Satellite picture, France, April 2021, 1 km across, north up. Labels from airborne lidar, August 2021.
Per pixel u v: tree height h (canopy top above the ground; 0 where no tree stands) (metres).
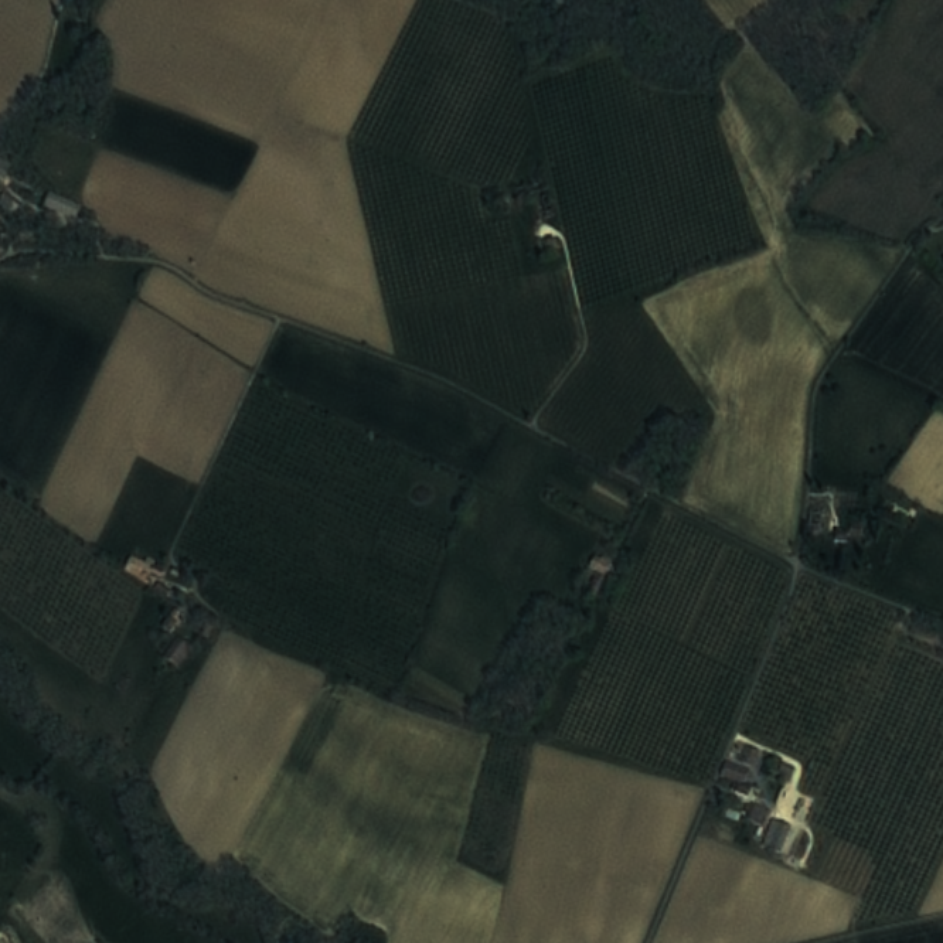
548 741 16
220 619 11
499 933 0
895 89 0
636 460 17
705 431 17
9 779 14
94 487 0
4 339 0
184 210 0
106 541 0
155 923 0
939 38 0
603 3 17
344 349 0
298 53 0
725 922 0
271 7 0
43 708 9
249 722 0
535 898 0
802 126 0
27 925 0
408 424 0
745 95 0
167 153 0
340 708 0
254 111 0
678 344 0
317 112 0
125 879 19
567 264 0
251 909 20
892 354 0
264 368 0
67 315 0
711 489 0
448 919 0
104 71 19
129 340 0
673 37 18
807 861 0
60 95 18
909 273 0
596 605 10
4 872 0
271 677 0
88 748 13
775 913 0
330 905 0
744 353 0
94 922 0
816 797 0
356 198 0
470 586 0
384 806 0
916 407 0
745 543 0
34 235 13
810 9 20
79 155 0
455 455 0
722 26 12
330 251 0
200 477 0
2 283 0
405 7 0
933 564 0
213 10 0
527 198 9
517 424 0
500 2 15
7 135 13
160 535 0
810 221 15
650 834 0
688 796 0
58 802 13
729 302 0
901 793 6
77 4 17
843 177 0
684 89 9
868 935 0
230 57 0
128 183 0
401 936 0
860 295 0
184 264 0
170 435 0
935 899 0
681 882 0
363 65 0
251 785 0
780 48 12
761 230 0
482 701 14
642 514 8
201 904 25
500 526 0
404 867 0
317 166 0
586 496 0
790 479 0
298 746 0
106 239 13
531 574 0
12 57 0
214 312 0
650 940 0
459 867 0
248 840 0
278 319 0
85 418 0
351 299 0
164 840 9
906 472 0
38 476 0
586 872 0
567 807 0
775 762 11
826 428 0
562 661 21
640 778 0
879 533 23
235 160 0
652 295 0
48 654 0
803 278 0
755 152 0
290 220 0
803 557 7
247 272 0
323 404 0
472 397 0
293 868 0
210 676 0
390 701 10
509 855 0
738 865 0
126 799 17
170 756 0
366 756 0
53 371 0
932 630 15
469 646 0
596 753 0
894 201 0
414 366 0
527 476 0
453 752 0
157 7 0
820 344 0
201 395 0
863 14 0
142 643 0
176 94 0
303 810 0
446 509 0
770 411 0
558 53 8
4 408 0
